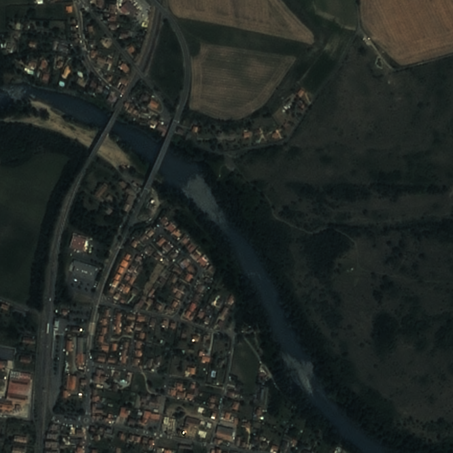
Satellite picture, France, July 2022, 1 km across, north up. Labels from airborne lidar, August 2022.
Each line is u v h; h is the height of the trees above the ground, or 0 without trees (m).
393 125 0
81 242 0
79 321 7
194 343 6
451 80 0
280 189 0
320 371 18
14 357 7
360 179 0
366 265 0
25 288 0
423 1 0
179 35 0
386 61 0
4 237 0
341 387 5
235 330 10
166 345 8
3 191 0
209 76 0
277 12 0
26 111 20
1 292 0
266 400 0
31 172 0
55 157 0
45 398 0
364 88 0
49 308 0
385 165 0
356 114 0
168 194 21
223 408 0
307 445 6
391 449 16
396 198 9
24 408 0
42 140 11
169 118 0
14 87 0
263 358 12
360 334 0
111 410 0
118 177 9
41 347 0
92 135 0
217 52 0
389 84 0
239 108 0
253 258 0
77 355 0
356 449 15
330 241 11
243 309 16
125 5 0
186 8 0
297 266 0
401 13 0
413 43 0
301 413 13
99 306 8
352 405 16
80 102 0
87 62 0
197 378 6
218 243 31
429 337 0
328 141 0
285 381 23
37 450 0
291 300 9
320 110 0
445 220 7
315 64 0
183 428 0
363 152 0
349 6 0
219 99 0
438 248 0
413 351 0
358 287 0
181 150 15
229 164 0
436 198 0
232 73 0
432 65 0
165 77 0
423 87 0
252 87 0
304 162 0
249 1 0
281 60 0
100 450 0
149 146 0
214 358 9
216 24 0
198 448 0
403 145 0
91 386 9
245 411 0
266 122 0
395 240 0
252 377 0
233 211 23
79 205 10
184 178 0
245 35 0
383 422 7
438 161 0
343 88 0
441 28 0
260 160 0
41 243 8
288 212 19
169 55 0
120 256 7
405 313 0
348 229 7
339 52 0
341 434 0
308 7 0
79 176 0
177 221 10
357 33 0
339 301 10
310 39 0
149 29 0
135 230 8
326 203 8
